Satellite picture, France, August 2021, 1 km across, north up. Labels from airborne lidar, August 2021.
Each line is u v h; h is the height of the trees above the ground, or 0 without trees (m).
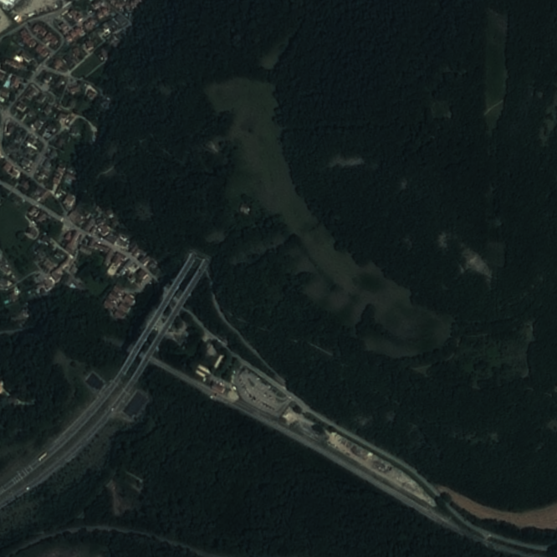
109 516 16
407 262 14
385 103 16
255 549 20
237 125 0
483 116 14
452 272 10
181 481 21
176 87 6
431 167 18
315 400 16
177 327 10
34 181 7
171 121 19
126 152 8
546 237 11
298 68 20
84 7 0
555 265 10
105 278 12
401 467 0
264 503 22
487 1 15
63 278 10
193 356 11
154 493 22
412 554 24
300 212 0
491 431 9
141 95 9
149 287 10
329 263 0
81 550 0
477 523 19
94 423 0
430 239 11
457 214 14
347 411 14
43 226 10
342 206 15
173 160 7
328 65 20
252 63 14
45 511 8
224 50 21
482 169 18
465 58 17
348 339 12
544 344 14
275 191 0
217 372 16
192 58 19
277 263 7
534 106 8
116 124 9
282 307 9
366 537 22
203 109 15
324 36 22
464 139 17
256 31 25
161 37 11
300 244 9
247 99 0
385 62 17
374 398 16
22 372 26
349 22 22
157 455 21
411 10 18
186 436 22
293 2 19
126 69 9
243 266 11
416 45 23
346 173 13
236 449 25
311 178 9
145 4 14
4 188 13
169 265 22
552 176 7
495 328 16
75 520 8
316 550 18
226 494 18
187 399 17
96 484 8
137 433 20
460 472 14
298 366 13
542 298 10
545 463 14
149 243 10
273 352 14
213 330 14
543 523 0
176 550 14
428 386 14
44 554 0
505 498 19
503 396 15
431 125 18
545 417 11
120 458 14
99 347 14
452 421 12
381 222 15
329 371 12
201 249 11
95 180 9
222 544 24
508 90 10
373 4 21
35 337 18
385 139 15
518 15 14
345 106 22
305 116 14
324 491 24
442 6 20
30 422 15
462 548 23
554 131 9
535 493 19
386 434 15
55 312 16
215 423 18
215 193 11
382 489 9
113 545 15
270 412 0
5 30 0
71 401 6
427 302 16
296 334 11
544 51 14
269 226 11
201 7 20
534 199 15
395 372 12
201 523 18
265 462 17
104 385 0
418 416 10
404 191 9
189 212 8
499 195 19
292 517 18
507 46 7
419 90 20
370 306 10
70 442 0
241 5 24
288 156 10
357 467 0
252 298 8
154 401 6
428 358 14
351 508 24
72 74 0
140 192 18
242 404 0
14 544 12
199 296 17
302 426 0
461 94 17
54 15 0
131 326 20
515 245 17
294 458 17
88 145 7
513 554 8
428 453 12
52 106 5
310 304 11
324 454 9
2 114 0
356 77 20
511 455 11
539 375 11
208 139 8
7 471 0
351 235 14
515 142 16
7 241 0
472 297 8
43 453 0
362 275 0
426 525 22
